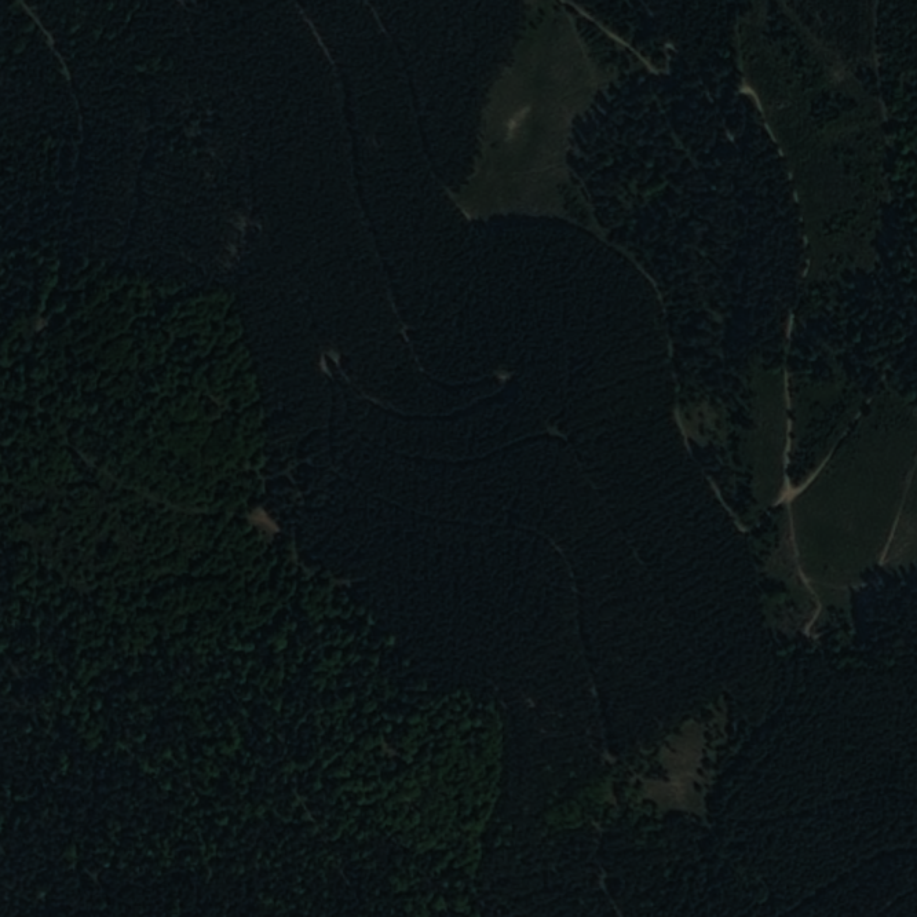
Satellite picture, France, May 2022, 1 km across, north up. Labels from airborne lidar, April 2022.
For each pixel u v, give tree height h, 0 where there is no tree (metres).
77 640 22
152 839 20
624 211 33
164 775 37
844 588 0
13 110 27
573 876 24
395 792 24
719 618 25
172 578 8
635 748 20
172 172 21
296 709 25
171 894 23
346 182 25
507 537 18
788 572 0
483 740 23
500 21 27
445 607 22
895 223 42
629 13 24
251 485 7
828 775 17
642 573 19
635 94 34
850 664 14
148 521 9
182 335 13
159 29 21
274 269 25
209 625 20
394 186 29
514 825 24
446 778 23
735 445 15
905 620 34
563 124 0
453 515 23
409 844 25
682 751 0
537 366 21
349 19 25
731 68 14
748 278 40
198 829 30
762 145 32
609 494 24
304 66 26
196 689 15
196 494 14
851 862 25
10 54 28
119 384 32
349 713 21
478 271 25
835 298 0
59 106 20
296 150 26
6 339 21
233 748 20
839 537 0
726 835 21
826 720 16
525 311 23
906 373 28
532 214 0
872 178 6
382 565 23
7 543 21
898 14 8
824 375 34
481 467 22
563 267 24
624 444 26
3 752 33
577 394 20
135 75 19
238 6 22
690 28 22
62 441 14
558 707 23
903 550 0
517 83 0
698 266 30
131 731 33
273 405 24
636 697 25
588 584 21
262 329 25
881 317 31
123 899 26
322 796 23
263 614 20
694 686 22
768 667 18
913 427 0
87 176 24
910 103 17
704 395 12
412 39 26
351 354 25
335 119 27
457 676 21
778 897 18
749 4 11
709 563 26
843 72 0
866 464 0
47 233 17
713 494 16
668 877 22
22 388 20
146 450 17
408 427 24
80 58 22
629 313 20
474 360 24
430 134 29
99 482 8
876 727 19
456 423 21
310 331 25
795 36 9
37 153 13
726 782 20
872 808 25
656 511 22
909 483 0
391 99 25
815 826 22
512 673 22
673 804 0
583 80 0
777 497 0
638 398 23
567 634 21
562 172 0
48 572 20
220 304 17
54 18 18
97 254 22
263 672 14
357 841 23
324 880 24
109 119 19
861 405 0
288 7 25
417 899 23
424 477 21
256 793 29
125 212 21
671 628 23
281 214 25
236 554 20
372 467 25
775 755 18
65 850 32
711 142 12
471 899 19
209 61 19
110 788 34
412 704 16
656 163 31
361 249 25
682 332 17
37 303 25
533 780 21
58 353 12
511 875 22
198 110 15
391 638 21
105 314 11
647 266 14
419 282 28
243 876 24
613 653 26
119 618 21
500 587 21
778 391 0
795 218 33
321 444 26
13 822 28
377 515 19
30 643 32
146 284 11
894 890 27
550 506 22
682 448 25
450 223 25
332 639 26
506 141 0
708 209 38
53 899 36
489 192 0
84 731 31
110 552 18
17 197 21
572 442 19
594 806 22
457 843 19
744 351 37
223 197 20
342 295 29
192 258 21
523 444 21
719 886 21
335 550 20
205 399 14
